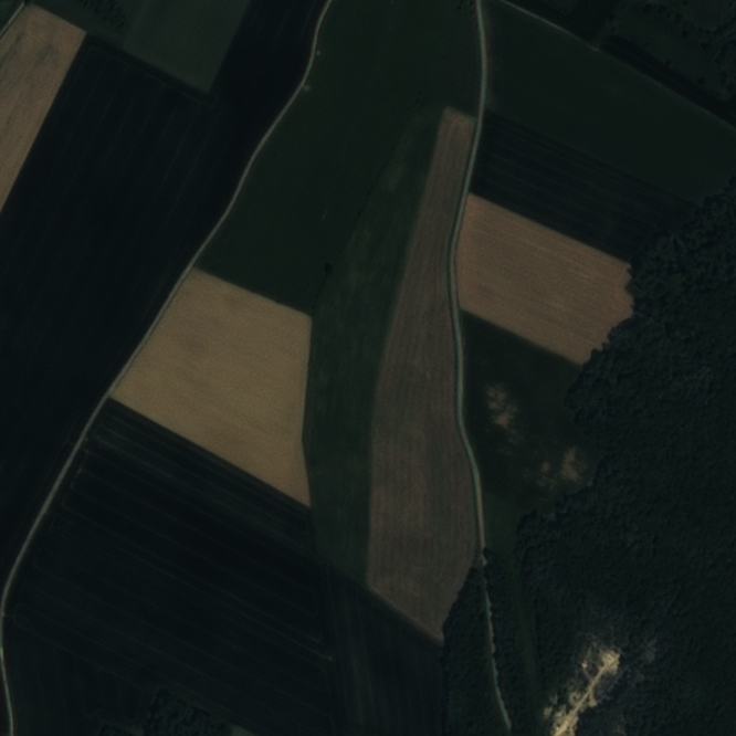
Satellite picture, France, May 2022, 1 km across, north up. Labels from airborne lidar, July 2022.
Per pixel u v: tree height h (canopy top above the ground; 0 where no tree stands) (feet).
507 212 0
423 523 0
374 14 0
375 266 0
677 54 0
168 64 0
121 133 0
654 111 0
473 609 45
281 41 0
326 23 0
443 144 0
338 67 0
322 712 0
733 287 77
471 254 0
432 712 0
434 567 0
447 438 0
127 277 0
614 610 49
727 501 53
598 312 0
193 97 0
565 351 0
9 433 0
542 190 0
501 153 0
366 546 0
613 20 37
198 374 0
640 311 55
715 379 62
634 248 0
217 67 0
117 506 0
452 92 0
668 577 50
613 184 0
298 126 0
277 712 0
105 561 0
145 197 0
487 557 52
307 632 0
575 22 0
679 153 0
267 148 0
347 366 0
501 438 0
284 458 0
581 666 29
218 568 0
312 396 0
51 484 0
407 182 0
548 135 0
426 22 0
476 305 0
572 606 41
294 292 0
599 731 19
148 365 0
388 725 0
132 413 0
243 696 0
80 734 0
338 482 0
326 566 0
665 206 0
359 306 0
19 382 0
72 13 0
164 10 0
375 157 0
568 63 0
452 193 0
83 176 0
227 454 0
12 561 0
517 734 54
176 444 0
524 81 0
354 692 0
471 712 70
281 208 0
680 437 60
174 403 0
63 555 0
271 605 0
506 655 44
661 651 28
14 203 0
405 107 0
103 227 0
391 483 0
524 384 0
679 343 66
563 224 0
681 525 52
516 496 0
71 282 0
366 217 0
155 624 0
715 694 43
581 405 34
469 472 0
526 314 0
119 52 0
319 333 0
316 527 0
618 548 62
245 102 0
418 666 0
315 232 0
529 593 35
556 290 0
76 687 0
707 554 58
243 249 0
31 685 0
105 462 0
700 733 45
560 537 76
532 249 0
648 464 63
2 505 0
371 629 0
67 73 0
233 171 0
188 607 0
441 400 0
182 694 0
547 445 0
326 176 0
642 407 58
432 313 0
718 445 59
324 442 0
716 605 46
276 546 0
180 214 0
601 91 0
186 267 0
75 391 0
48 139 0
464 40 0
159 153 0
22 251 0
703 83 41
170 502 0
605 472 63
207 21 0
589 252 0
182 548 0
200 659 0
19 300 0
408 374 0
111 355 0
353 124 0
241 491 0
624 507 68
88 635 0
